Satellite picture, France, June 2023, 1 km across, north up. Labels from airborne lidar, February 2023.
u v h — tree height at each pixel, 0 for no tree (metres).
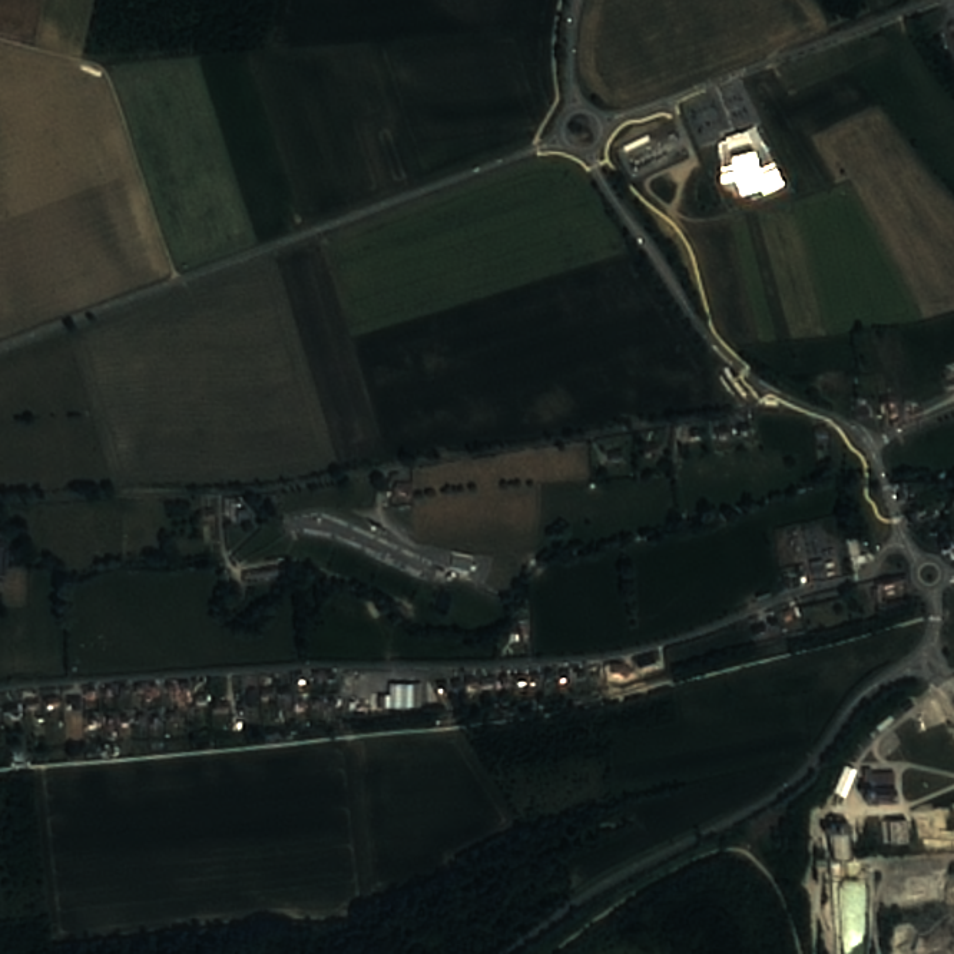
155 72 0
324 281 0
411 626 9
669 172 0
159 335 0
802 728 0
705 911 20
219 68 0
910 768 0
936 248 0
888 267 0
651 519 0
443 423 0
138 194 0
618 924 6
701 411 8
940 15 0
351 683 0
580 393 0
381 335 0
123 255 0
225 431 0
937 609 0
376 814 0
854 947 0
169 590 0
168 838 0
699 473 0
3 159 0
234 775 0
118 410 0
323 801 0
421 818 0
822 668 0
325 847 0
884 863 0
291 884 0
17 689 0
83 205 0
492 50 0
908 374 0
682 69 0
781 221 0
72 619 10
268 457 0
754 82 0
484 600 0
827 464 8
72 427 0
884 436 0
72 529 0
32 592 0
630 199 0
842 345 0
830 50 0
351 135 0
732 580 0
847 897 0
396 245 0
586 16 0
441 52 0
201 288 0
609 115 0
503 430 0
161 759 0
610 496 0
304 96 0
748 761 0
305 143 0
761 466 0
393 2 0
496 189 0
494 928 21
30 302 0
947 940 0
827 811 0
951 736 0
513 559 0
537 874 26
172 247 0
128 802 0
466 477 0
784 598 0
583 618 0
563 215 0
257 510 11
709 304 0
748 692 0
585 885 0
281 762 0
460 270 0
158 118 0
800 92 0
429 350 0
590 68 0
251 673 0
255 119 0
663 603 0
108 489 13
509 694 7
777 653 0
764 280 0
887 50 0
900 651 0
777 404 0
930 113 0
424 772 0
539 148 0
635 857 0
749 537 0
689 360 0
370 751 0
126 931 0
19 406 0
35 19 0
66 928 0
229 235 0
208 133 0
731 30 0
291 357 0
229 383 0
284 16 0
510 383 0
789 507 0
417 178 0
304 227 0
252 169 0
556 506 0
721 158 0
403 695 0
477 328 0
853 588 11
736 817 0
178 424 0
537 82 0
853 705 0
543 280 0
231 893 0
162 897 0
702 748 0
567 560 16
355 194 0
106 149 0
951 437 0
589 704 5
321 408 0
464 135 0
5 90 0
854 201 0
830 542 0
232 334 0
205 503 0
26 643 0
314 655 0
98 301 0
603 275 0
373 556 0
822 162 0
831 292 0
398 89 0
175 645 0
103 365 0
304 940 22
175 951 24
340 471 14
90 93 0
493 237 0
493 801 0
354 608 0
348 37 0
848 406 0
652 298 0
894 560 0
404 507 0
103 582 0
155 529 0
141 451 0
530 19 0
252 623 10
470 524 0
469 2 0
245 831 0
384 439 0
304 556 0
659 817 0
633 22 0
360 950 28
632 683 0
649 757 0
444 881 21
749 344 0
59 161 0
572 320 0
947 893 0
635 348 0
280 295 0
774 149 0
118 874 0
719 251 0
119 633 0
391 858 0
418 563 0
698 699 0
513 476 0
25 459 0
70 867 0
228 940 26
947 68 13
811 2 0
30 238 0
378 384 0
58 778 0
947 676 0
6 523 14
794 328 0
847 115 0
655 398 0
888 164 0
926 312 0
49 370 0
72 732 0
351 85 0
